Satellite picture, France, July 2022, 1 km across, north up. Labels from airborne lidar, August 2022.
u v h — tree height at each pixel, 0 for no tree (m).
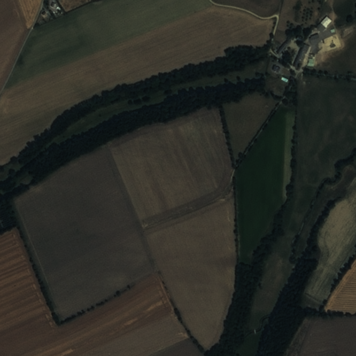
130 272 0
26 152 14
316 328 0
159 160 0
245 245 0
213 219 0
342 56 0
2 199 24
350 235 0
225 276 0
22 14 0
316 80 0
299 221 0
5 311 0
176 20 0
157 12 0
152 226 0
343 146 0
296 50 0
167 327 0
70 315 0
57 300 0
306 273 13
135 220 0
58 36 0
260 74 9
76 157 11
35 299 0
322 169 0
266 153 0
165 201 0
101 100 14
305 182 0
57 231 0
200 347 11
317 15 0
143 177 0
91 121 0
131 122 15
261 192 0
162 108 19
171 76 19
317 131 0
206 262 0
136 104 15
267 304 0
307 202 0
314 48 0
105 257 0
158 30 0
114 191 0
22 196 0
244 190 0
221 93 28
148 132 0
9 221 7
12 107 0
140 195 0
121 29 0
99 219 0
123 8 0
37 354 0
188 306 0
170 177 0
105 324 0
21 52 0
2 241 0
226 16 0
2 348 0
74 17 0
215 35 0
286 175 0
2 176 0
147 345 0
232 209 0
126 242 0
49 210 0
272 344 23
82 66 0
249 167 0
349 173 0
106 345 0
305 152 0
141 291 0
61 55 0
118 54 0
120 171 0
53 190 0
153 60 0
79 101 0
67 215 0
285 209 20
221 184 0
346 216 0
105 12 0
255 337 0
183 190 0
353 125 0
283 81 0
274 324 23
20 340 0
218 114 0
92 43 0
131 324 0
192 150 0
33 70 0
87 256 0
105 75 0
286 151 0
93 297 0
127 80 0
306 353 0
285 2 0
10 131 0
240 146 0
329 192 0
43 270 0
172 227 0
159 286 0
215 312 0
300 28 15
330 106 0
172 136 0
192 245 0
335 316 14
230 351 11
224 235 0
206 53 0
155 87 23
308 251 6
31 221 0
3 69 0
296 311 20
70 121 21
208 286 0
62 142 0
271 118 7
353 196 0
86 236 0
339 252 0
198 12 0
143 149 0
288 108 0
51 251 0
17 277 0
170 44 0
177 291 0
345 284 0
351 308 0
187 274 0
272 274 0
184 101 23
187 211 0
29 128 0
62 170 0
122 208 0
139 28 0
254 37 0
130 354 0
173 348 0
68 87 0
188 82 12
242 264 14
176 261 0
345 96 0
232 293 0
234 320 12
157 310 0
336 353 0
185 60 0
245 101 0
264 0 0
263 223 0
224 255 0
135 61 0
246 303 14
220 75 14
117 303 0
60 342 0
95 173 0
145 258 0
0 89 0
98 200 0
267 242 17
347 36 0
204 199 0
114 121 21
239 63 23
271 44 18
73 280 0
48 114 0
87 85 0
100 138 19
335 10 0
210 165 0
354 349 0
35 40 0
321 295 0
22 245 0
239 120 0
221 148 0
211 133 0
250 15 0
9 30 0
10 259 0
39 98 0
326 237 0
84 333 0
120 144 0
